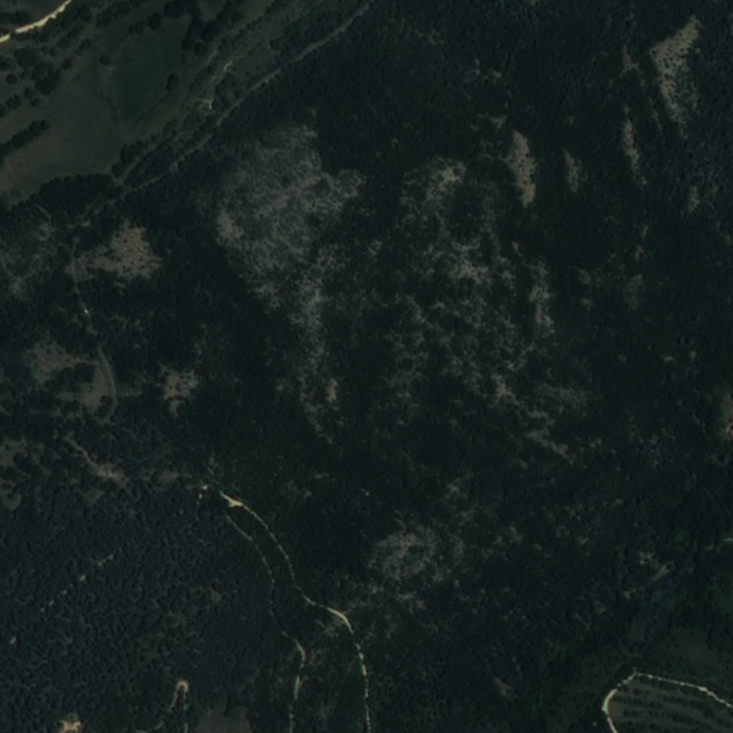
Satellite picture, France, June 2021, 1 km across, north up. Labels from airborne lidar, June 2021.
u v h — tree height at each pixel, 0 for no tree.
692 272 19
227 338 7
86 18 12
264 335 8
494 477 13
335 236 7
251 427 7
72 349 8
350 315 7
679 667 7
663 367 12
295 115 7
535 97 12
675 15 11
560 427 10
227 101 8
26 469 12
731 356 10
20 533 16
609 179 13
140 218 10
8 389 7
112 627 11
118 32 0
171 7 16
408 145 12
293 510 10
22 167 0
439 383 10
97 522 14
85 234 11
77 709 13
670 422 19
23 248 7
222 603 8
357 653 8
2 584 14
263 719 7
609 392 15
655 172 9
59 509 14
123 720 11
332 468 14
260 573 8
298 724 13
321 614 12
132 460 8
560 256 11
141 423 8
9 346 14
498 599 12
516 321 9
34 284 7
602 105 9
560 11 11
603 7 15
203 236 9
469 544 7
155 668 9
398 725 12
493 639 20
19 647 13
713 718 10
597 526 12
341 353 7
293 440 11
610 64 11
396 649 9
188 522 14
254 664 14
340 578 7
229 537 12
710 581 19
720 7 14
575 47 9
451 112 10
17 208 12
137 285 7
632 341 15
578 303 9
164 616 12
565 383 12
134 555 15
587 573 16
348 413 10
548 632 23
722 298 14
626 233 12
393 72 10
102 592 15
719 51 21
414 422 8
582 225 11
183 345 12
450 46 6
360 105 9
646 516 20
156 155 9
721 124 7
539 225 9
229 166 6
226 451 6
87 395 0
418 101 9
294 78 10
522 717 16
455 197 7
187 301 10
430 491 14
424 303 7
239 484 9
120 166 12
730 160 9
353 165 10
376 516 12
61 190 13
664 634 12
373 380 11
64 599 8
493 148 6
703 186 13
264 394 8
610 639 9
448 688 18
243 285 10
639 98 10
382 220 13
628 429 7
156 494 14
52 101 0
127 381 9
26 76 10
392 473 13
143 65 0
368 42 8
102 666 12
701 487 19
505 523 11
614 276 8
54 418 8
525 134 9
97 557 16
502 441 12
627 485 16
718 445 13
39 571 14
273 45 10
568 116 9
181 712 11
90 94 0
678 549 23
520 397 10
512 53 14
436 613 11
